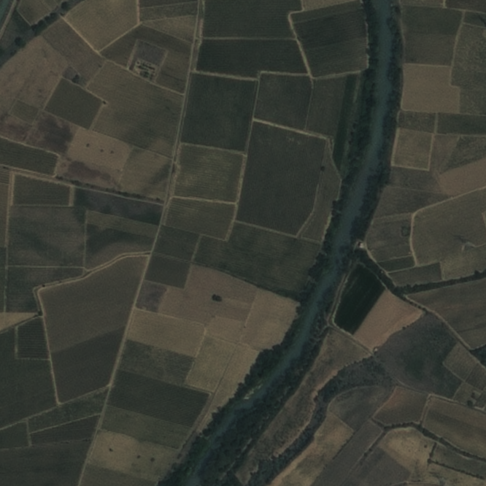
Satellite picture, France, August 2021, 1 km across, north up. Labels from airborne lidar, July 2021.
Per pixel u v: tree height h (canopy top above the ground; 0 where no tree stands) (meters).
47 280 0
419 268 0
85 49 0
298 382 11
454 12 0
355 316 0
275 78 0
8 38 0
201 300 0
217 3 0
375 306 0
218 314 0
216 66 0
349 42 0
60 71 0
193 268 0
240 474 0
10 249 0
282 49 0
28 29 0
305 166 0
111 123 0
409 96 0
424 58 0
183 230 0
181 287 0
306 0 0
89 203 0
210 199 0
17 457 0
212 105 0
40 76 0
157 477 0
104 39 0
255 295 0
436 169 0
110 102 0
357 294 0
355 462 0
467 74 0
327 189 0
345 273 15
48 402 0
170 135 0
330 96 0
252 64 0
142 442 0
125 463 0
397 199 0
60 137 0
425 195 0
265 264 0
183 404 0
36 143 0
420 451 0
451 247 0
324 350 0
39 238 0
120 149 0
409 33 0
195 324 0
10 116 0
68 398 0
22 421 0
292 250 0
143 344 0
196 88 0
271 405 10
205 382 0
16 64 0
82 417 0
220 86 0
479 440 0
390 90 0
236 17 0
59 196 0
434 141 0
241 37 0
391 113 12
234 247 0
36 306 0
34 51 0
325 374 0
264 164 0
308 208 0
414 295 0
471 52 0
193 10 0
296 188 0
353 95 0
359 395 0
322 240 0
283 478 0
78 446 0
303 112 0
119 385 0
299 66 0
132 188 0
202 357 0
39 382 0
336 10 0
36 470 0
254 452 0
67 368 0
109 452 0
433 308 0
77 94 0
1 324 0
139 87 0
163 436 0
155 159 0
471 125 0
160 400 0
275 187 0
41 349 0
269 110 0
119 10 0
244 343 0
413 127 0
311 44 0
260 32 0
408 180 0
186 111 0
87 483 0
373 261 12
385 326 0
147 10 0
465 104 0
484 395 0
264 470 13
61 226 0
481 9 0
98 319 0
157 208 0
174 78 0
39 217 0
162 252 0
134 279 0
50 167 0
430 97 0
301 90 0
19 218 0
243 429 14
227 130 0
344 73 0
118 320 0
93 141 0
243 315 0
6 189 0
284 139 0
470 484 0
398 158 0
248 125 0
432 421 0
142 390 0
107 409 0
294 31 0
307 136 0
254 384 25
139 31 0
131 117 0
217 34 0
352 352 0
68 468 0
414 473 0
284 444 0
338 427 0
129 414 0
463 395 0
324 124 0
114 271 0
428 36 0
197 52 0
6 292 0
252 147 0
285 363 0
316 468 0
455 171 0
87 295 0
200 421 0
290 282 0
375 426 0
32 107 0
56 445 0
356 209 0
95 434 0
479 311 0
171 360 0
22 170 0
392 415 0
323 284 0
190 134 0
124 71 0
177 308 0
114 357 0
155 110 0
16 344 0
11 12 0
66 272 0
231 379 0
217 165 0
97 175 0
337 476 0
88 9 0
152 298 0
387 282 14
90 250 0
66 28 0
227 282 0
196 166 0
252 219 0
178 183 0
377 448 0
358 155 7
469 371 0
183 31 0
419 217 0
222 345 0
